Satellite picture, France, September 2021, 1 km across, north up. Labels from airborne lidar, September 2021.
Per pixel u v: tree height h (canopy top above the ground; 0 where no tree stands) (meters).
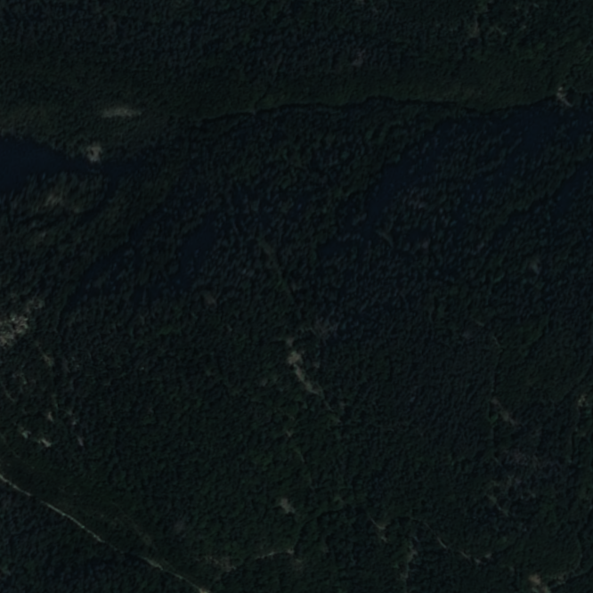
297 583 22
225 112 10
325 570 22
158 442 21
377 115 15
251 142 17
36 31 22
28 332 13
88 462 21
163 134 7
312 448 25
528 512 24
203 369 25
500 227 26
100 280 25
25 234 9
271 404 24
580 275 29
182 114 16
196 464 17
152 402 20
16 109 12
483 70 17
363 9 12
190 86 16
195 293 10
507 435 27
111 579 34
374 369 21
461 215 27
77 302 11
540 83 14
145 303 15
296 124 16
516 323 25
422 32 23
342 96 15
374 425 19
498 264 28
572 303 23
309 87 18
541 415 28
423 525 11
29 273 22
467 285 26
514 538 20
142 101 7
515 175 26
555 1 16
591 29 21
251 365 15
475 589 14
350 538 31
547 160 25
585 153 30
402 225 32
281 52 18
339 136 15
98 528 12
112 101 11
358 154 36
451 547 19
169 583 12
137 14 29
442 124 18
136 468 27
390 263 30
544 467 26
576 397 16
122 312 30
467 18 17
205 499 28
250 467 24
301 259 18
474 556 12
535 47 29
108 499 14
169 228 17
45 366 25
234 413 26
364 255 35
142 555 18
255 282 15
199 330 13
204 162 11
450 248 15
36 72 12
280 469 26
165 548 13
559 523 25
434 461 21
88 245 10
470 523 17
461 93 14
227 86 20
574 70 14
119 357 17
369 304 30
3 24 7
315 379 16
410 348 27
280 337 24
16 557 25
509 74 15
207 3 29
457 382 26
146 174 12
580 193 36
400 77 33
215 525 32
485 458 27
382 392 24
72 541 26
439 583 16
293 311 24
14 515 25
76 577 27
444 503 23
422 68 31
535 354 21
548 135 36
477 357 24
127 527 11
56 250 12
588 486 23
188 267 25
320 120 16
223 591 18
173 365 22
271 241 31
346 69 11
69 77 13
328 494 22
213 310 11
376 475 19
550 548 20
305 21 16
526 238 25
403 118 18
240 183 8
